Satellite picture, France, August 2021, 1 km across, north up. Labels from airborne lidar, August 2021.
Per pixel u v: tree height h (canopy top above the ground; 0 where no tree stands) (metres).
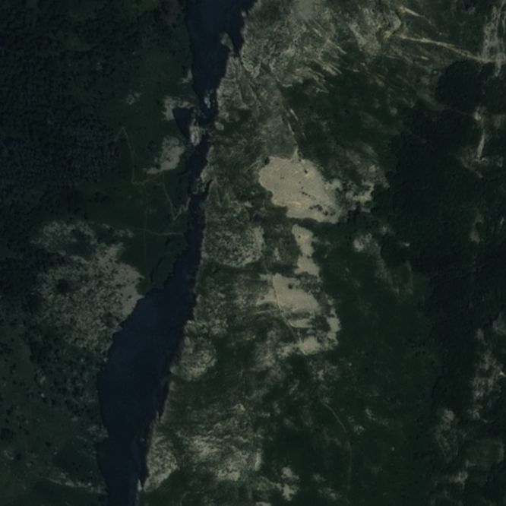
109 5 6
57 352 9
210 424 0
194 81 0
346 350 0
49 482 0
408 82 0
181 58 0
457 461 9
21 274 16
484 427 7
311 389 0
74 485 0
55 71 8
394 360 0
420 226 16
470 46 0
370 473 0
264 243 0
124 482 0
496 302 15
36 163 24
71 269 0
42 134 16
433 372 0
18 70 14
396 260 10
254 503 0
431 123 18
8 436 10
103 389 6
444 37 0
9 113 8
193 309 0
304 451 0
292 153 0
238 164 0
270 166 0
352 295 0
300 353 0
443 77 11
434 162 22
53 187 22
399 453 0
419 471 0
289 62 0
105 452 0
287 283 0
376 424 0
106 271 0
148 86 0
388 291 0
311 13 0
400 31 0
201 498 0
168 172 0
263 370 0
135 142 0
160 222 0
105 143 18
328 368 0
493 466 10
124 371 0
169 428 0
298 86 0
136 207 0
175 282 0
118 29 8
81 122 14
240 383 0
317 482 0
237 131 0
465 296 12
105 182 0
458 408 9
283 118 7
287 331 0
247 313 0
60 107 6
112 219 0
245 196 11
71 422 0
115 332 0
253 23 0
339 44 0
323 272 0
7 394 0
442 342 7
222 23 0
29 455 0
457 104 17
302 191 0
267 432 0
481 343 7
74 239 0
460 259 12
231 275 0
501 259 14
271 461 0
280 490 0
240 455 0
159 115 0
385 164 0
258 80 0
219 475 0
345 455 0
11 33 17
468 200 11
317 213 0
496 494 11
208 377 0
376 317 0
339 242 0
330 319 0
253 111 0
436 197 19
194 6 7
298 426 0
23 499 0
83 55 17
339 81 0
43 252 9
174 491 0
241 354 0
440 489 7
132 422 0
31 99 7
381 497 0
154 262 0
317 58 0
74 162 21
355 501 0
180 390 0
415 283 0
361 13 0
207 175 0
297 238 0
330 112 0
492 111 9
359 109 0
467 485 10
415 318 0
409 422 0
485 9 7
